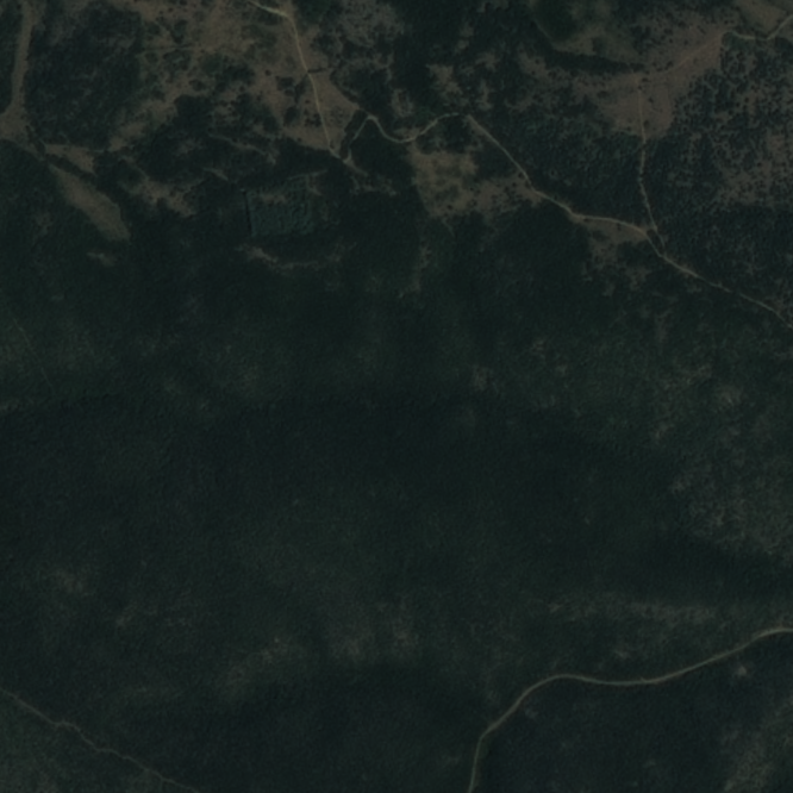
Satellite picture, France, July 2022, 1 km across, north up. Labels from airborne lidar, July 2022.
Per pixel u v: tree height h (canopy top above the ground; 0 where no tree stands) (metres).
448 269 7
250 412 9
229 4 0
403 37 7
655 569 7
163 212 7
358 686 7
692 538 7
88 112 6
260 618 5
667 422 7
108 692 5
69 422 7
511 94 7
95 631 8
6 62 8
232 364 5
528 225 7
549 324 6
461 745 6
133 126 0
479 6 9
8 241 7
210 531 6
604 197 8
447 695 7
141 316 9
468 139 7
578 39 0
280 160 5
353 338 6
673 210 9
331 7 6
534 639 7
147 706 7
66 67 5
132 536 6
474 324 11
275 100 0
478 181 8
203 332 5
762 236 8
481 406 9
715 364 6
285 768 6
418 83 7
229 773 6
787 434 6
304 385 9
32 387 10
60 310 6
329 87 0
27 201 6
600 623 5
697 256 7
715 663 10
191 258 7
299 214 11
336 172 7
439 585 6
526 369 6
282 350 7
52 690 6
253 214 14
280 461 6
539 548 6
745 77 7
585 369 7
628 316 5
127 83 6
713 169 9
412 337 11
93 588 6
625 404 7
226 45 0
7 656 5
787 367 6
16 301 7
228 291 6
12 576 6
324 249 5
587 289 6
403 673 6
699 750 7
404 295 7
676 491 7
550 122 8
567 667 7
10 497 7
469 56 7
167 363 8
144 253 10
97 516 6
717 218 7
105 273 7
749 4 0
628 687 8
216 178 6
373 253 8
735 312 6
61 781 7
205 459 8
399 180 6
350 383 8
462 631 6
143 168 7
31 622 7
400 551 7
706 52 0
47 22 8
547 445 9
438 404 10
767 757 6
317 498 5
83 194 0
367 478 7
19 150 7
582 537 6
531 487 6
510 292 6
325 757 6
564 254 8
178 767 6
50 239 7
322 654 5
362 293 6
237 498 5
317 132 0
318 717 5
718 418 6
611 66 6
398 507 6
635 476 6
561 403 6
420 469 6
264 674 5
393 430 7
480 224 7
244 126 6
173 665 7
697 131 7
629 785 6
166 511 6
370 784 5
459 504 6
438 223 6
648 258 7
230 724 7
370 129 6
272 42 0
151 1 0
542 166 8
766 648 7
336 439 6
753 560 7
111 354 7
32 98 6
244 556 6
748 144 8
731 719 6
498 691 5
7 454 6
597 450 10
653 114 0
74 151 0
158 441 7
